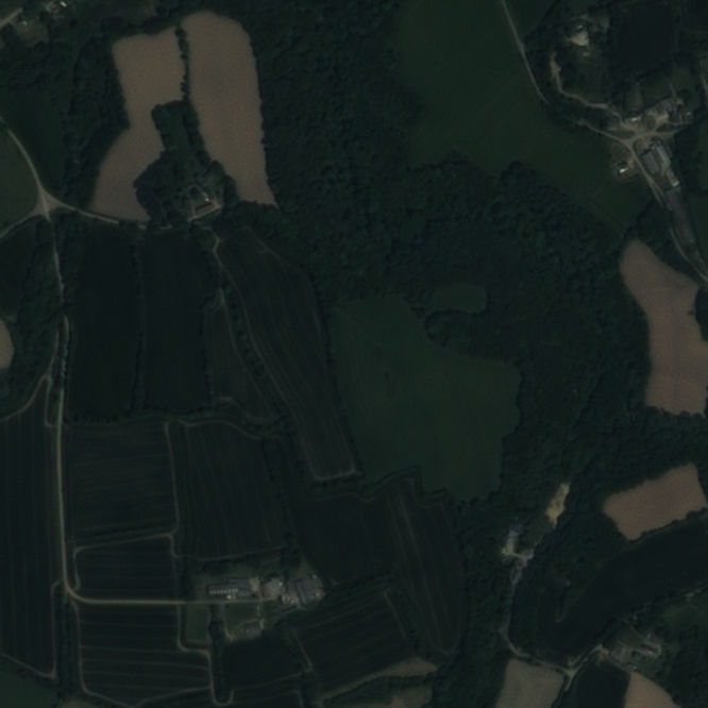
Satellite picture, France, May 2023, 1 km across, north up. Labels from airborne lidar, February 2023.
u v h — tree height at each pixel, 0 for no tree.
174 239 0
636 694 0
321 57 20
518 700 0
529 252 16
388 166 18
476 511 19
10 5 0
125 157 0
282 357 0
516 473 15
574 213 15
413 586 0
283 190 24
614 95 9
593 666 0
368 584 6
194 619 0
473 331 16
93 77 7
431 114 0
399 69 0
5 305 0
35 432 0
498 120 0
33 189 0
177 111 17
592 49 0
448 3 0
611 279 20
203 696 7
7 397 12
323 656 0
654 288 0
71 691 11
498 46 0
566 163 0
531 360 18
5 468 0
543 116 0
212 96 0
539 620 0
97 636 0
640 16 0
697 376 0
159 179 22
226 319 0
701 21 0
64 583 0
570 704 12
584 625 0
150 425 0
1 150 0
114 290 0
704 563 0
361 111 21
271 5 29
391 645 0
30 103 0
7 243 0
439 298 0
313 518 0
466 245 20
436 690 18
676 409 0
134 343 0
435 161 0
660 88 0
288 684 0
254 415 0
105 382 0
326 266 31
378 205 26
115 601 0
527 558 0
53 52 19
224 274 0
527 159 0
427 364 0
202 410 13
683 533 0
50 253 9
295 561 13
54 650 0
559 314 17
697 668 10
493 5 0
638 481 18
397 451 0
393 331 0
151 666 0
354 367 0
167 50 0
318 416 0
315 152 34
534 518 8
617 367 16
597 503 18
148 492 0
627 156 0
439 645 0
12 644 0
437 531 0
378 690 12
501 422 0
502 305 18
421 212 15
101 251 0
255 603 0
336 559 0
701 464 19
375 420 0
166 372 0
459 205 22
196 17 0
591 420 18
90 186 17
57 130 0
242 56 0
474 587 16
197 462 0
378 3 8
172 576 0
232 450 0
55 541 0
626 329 15
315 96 27
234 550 0
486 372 0
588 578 11
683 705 8
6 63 13
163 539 0
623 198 0
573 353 14
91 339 0
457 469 0
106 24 9
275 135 29
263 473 0
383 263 20
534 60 10
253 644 0
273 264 0
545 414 15
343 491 0
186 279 0
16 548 0
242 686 0
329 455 0
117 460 0
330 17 17
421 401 0
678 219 0
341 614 0
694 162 17
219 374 0
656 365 0
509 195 26
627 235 8
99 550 0
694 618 0
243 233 0
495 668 7
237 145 0
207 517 0
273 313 0
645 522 0
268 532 0
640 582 0
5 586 0
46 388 0
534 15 0
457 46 0
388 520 0
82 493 0
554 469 15
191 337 0
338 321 0
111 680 0
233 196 17
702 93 13
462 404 0
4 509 0
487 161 0
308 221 27
